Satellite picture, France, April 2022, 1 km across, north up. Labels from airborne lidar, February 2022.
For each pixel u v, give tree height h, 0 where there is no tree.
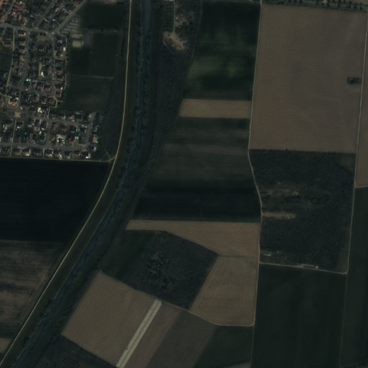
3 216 0
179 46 0
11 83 0
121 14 0
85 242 0
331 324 0
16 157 0
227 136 0
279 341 0
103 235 8
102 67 0
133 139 8
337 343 0
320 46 0
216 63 0
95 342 0
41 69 0
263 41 0
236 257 0
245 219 0
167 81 13
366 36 0
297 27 0
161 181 0
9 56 0
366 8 0
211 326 0
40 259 0
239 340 0
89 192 0
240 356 0
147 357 0
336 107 0
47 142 0
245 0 0
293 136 0
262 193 0
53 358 13
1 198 0
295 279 0
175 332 0
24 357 0
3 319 0
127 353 0
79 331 0
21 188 0
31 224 0
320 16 0
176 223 0
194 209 0
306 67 0
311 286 0
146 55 0
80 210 0
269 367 0
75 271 0
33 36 8
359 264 0
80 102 0
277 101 0
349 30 0
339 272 0
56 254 0
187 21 0
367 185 0
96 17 0
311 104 0
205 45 0
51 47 10
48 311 7
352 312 0
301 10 0
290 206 0
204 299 0
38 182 0
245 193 0
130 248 0
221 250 0
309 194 0
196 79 0
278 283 0
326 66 0
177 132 0
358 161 0
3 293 0
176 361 0
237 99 0
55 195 0
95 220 0
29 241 0
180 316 0
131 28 0
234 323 0
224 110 0
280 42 0
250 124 0
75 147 0
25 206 0
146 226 0
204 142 0
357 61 0
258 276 0
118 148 0
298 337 0
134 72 0
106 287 0
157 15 0
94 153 0
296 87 0
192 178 0
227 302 0
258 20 0
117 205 15
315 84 0
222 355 0
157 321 0
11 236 0
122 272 0
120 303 0
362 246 0
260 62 0
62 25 0
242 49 0
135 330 0
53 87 0
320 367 0
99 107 0
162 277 18
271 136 0
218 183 0
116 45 0
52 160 0
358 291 0
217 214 0
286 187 0
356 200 0
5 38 0
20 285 0
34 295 0
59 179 0
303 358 0
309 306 0
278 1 11
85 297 0
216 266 0
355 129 0
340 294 0
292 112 0
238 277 0
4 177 0
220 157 0
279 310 0
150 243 0
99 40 0
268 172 12
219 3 0
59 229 0
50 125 0
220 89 0
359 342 0
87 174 0
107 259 0
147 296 0
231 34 0
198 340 0
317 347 0
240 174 0
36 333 6
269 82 0
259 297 0
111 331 0
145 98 19
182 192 0
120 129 0
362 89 0
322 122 0
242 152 0
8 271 0
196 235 0
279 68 0
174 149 0
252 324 0
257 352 0
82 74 0
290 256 0
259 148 0
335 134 0
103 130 11
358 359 0
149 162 13
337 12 0
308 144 0
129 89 0
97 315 0
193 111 0
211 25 0
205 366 0
